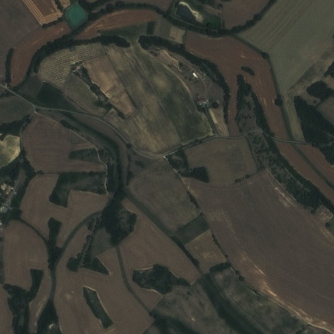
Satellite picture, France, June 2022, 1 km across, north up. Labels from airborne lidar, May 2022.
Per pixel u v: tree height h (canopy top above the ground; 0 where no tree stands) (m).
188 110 0
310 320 0
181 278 10
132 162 0
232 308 0
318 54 0
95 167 0
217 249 0
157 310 0
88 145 0
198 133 0
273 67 0
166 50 0
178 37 0
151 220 0
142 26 0
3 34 0
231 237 0
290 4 0
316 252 0
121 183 6
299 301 0
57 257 19
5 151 0
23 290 14
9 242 0
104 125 0
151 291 0
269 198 0
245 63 0
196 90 0
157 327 0
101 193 11
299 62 0
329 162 10
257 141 7
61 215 0
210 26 19
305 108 15
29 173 10
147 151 0
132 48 0
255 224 0
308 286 0
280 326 0
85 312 0
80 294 0
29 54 0
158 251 0
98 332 0
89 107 0
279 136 0
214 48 0
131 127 0
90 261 13
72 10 0
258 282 0
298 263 0
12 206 6
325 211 0
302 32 0
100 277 0
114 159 8
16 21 0
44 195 0
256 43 0
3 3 0
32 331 0
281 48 0
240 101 15
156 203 0
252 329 0
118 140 0
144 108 0
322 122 13
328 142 12
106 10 22
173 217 0
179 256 0
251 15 0
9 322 0
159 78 0
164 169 0
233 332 0
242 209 0
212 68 15
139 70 0
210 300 0
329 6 0
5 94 12
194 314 0
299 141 0
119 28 0
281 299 0
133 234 0
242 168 0
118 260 0
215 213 0
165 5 0
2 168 9
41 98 0
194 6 0
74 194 0
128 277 0
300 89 0
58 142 0
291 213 0
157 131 0
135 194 0
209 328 0
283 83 0
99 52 0
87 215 0
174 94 0
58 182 6
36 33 0
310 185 12
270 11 0
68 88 0
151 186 0
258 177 0
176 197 0
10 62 13
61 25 0
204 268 0
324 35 0
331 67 15
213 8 0
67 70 0
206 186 0
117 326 0
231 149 0
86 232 0
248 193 0
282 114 0
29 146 0
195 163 0
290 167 13
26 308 8
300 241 0
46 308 7
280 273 0
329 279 0
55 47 8
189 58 15
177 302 0
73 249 0
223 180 0
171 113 0
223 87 14
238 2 0
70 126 9
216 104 15
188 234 0
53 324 0
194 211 0
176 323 0
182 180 0
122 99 0
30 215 0
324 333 0
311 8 0
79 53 0
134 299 0
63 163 0
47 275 0
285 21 0
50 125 0
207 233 0
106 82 0
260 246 0
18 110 0
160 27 0
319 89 16
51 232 5
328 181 9
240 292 0
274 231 0
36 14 0
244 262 0
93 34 0
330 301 0
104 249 0
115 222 6
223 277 0
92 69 0
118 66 0
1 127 13
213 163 0
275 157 6
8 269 0
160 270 11
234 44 0
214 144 0
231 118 0
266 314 0
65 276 0
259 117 10
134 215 10
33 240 0
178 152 9
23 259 0
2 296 0
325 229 0
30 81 0
